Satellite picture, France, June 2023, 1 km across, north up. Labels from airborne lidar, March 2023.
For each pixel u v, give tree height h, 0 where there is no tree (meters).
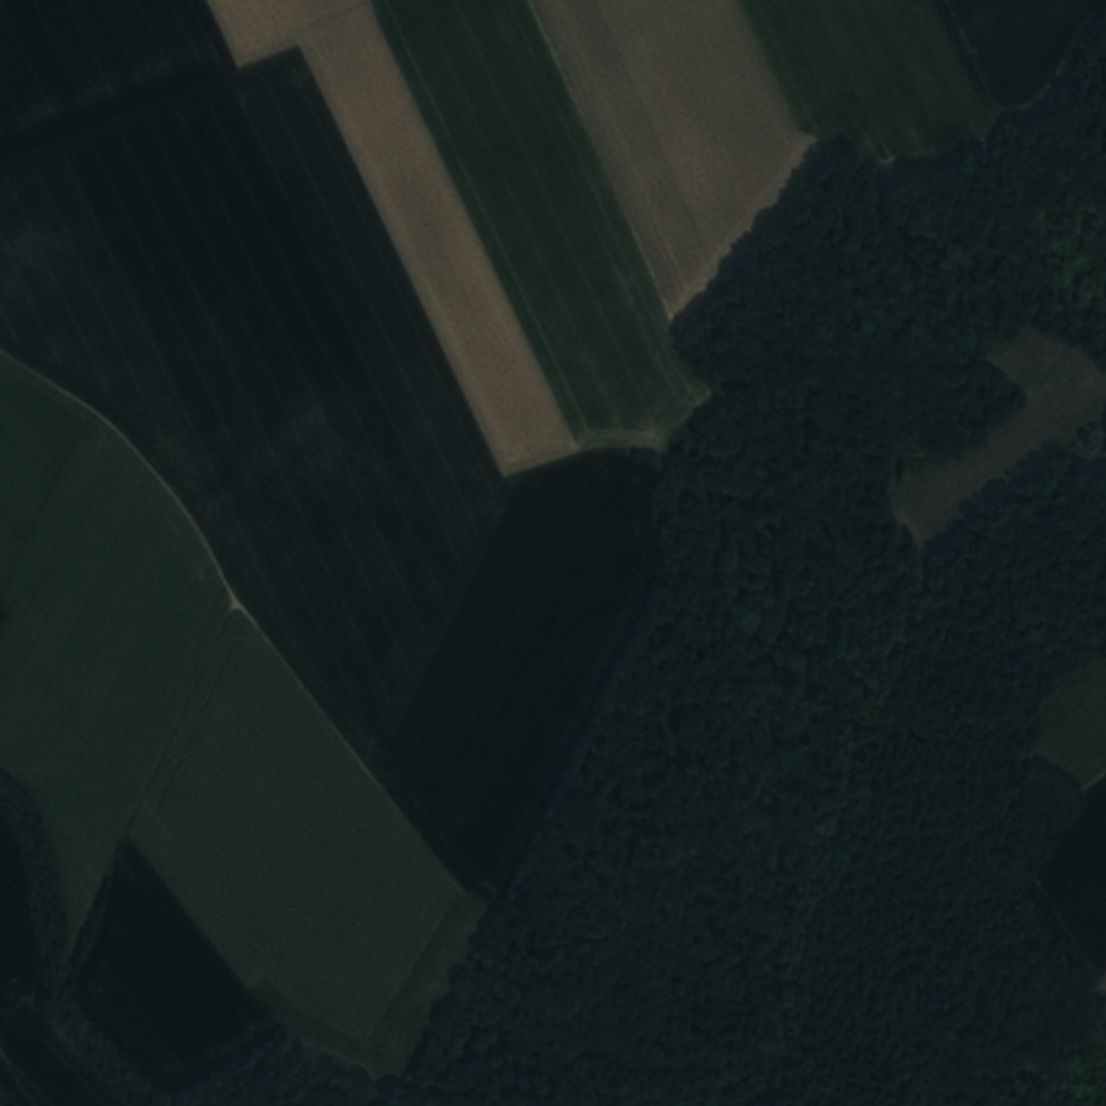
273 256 0
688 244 0
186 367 0
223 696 0
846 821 15
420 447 0
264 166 0
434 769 0
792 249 25
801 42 0
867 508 20
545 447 0
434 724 0
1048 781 27
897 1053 17
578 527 0
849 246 29
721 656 21
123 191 0
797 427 23
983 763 19
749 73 0
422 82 0
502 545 0
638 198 0
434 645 0
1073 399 0
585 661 0
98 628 0
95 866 0
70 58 0
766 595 23
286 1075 20
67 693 0
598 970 23
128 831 0
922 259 26
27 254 0
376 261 0
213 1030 0
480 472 0
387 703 0
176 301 0
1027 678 24
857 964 8
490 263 0
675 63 0
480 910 0
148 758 0
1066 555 11
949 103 0
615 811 11
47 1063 0
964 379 24
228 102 0
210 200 0
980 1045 21
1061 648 21
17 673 0
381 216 0
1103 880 0
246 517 0
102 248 0
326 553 0
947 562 25
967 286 26
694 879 27
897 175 24
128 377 0
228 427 0
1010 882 22
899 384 21
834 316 24
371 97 0
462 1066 28
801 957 15
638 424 0
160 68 0
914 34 0
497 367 0
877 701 20
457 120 0
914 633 24
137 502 0
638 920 23
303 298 0
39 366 0
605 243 0
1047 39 0
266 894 0
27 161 0
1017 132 22
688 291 0
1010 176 26
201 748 0
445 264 0
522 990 26
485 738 0
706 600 18
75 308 0
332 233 0
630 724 20
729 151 0
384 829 0
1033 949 25
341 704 0
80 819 0
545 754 0
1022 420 0
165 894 0
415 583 0
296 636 0
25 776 0
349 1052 0
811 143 0
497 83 0
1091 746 0
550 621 0
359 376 0
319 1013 0
